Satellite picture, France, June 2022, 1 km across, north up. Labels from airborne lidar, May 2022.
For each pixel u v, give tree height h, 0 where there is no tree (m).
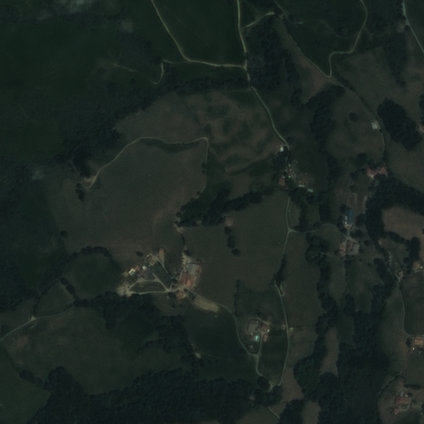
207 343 0
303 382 25
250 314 0
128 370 0
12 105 0
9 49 0
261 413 0
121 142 0
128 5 0
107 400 26
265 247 0
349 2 0
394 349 0
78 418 24
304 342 0
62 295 0
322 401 20
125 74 0
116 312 24
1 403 0
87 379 0
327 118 13
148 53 9
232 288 0
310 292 0
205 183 0
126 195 0
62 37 0
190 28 0
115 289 0
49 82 0
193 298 6
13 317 0
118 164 0
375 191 8
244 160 0
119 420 18
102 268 0
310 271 0
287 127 0
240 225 0
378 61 0
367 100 0
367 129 0
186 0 0
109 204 0
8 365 0
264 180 0
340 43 0
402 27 0
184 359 13
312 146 0
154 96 12
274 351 0
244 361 0
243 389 23
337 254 7
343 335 0
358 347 12
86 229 0
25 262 0
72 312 0
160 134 0
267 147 0
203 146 0
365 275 0
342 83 7
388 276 16
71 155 18
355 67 0
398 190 24
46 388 19
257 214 0
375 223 19
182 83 9
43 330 0
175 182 0
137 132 0
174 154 0
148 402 6
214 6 0
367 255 0
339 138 0
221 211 16
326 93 10
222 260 0
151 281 0
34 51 0
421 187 0
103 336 0
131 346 0
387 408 0
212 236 0
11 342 0
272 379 0
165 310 0
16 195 12
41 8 6
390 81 0
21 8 0
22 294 5
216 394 21
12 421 0
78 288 0
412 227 0
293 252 0
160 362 0
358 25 0
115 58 0
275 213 0
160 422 7
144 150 0
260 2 14
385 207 20
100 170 0
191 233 0
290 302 0
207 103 0
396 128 23
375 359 13
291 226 0
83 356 0
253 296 0
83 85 0
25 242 0
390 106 18
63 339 0
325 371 0
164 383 22
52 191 0
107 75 0
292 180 7
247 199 20
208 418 15
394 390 0
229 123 0
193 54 0
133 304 19
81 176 7
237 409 20
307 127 0
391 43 8
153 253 0
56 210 0
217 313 0
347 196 0
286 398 0
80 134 11
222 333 0
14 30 0
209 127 0
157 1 0
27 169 6
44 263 0
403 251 0
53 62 0
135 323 0
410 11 0
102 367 0
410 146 23
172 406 21
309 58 7
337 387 20
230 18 0
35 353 0
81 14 7
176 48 0
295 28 0
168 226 0
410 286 0
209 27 0
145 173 0
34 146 0
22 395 0
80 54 0
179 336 25
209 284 0
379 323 9
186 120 0
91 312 0
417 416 0
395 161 0
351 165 0
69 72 0
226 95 0
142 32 0
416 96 0
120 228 0
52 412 23
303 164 0
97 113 6
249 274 0
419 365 0
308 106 14
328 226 0
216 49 0
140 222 0
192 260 0
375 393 0
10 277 7
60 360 0
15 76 0
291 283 0
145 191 0
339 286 0
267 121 0
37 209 0
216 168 0
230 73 0
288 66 18
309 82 0
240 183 0
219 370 0
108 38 0
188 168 0
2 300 7
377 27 10
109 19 7
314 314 0
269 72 6
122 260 0
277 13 13
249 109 0
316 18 0
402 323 0
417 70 0
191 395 24
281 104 0
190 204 9
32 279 0
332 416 19
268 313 0
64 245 0
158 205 0
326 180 0
